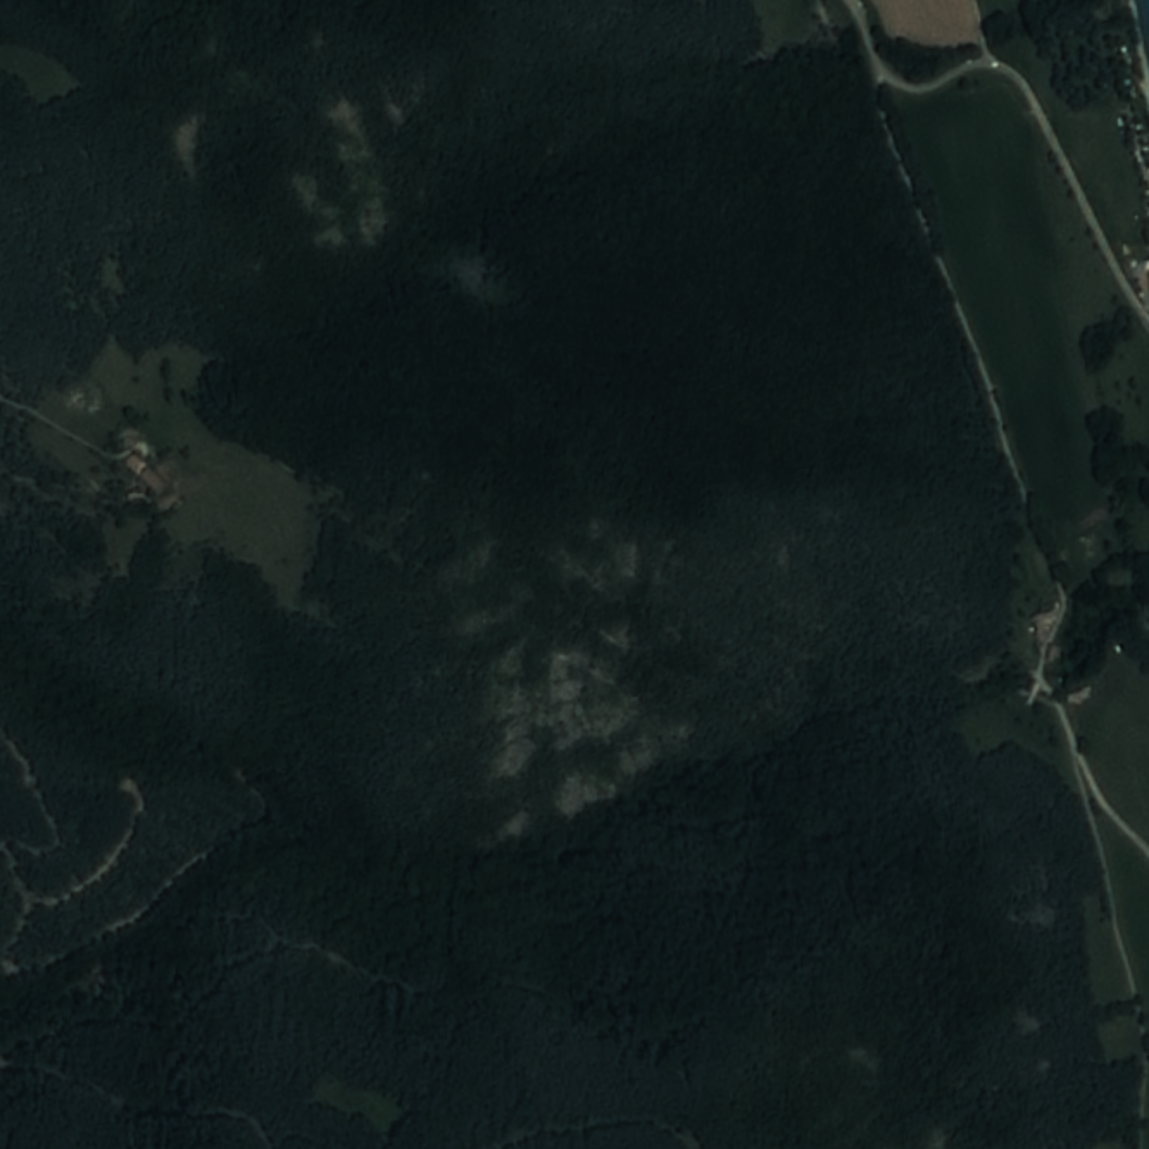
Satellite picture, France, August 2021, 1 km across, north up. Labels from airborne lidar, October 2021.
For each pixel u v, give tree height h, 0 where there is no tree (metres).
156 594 10
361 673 16
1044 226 0
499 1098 11
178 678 10
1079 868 12
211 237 10
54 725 16
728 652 7
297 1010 11
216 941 14
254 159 20
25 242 9
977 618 7
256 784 19
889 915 10
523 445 16
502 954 13
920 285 14
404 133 11
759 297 17
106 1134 17
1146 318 0
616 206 18
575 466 14
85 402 0
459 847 12
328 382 16
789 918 11
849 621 6
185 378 0
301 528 0
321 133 9
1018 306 0
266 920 15
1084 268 0
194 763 15
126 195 10
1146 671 9
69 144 11
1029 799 8
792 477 14
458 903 29
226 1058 18
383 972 16
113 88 14
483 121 15
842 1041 7
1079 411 0
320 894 23
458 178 14
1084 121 0
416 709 12
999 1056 11
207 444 0
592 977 18
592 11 8
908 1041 8
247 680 15
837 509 6
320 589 7
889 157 14
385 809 10
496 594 7
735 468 14
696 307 15
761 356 13
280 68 14
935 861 15
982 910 15
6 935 11
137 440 0
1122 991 0
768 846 16
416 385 16
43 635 16
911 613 7
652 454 15
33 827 17
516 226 22
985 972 19
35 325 8
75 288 8
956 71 0
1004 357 0
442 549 10
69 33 18
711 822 10
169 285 13
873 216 16
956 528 8
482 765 9
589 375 17
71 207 8
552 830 13
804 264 17
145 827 15
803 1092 11
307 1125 13
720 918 12
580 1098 13
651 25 11
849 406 11
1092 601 13
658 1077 13
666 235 21
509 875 24
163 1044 17
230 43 11
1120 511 16
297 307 14
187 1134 27
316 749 11
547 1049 12
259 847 25
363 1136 14
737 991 13
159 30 21
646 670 14
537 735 7
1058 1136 12
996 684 14
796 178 12
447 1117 13
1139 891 0
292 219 12
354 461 12
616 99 10
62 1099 14
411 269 12
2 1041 27
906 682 10
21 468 9
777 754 23
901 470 13
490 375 17
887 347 13
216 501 0
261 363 19
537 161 20
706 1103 12
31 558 13
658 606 9
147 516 7
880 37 15
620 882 12
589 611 9
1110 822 0
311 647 14
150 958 24
